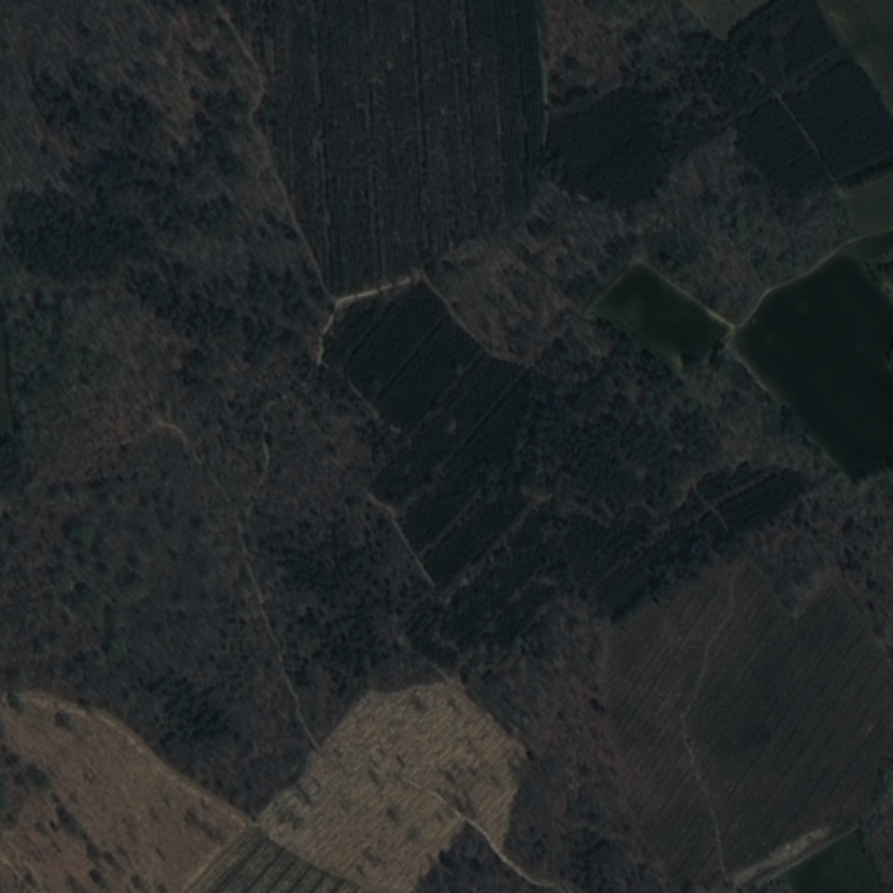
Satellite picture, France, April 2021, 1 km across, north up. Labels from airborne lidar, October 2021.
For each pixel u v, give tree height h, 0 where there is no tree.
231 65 16
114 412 15
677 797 0
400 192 10
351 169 10
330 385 13
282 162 8
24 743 0
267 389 9
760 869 0
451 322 11
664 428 29
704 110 21
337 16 11
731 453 14
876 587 18
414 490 8
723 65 17
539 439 22
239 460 6
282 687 12
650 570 6
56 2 15
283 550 7
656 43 22
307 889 0
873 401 0
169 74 16
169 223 15
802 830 0
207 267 12
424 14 11
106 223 26
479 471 21
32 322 23
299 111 10
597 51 11
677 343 0
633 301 0
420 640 10
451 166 9
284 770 8
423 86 12
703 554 20
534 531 9
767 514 11
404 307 10
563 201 11
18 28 20
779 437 18
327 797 0
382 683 9
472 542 9
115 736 0
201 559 13
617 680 0
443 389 9
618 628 15
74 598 5
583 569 6
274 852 0
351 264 11
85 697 21
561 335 18
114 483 9
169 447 11
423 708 22
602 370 15
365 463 8
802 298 0
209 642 11
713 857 0
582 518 7
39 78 18
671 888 9
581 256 16
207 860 0
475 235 8
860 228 0
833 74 14
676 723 0
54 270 31
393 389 10
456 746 0
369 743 0
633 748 0
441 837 0
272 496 8
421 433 8
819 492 17
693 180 11
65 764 0
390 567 12
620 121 8
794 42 13
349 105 9
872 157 14
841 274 0
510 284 23
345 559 11
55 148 10
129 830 15
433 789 0
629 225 15
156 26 15
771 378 0
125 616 9
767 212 11
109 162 13
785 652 0
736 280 21
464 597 8
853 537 15
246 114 29
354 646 14
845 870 0
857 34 0
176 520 15
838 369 0
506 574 9
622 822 7
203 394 24
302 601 8
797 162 12
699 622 0
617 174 9
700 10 0
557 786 9
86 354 15
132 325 20
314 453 7
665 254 10
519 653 19
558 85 18
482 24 14
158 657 11
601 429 17
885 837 7
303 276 12
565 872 10
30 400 28
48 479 8
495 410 7
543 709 16
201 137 19
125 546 25
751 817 0
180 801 0
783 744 0
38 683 7
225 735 14
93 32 18
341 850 0
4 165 22
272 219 16
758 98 19
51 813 0
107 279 25
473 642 9
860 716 0
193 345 24
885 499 12
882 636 18
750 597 0
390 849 0
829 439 0
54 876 0
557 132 8
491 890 11
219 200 16
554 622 12
